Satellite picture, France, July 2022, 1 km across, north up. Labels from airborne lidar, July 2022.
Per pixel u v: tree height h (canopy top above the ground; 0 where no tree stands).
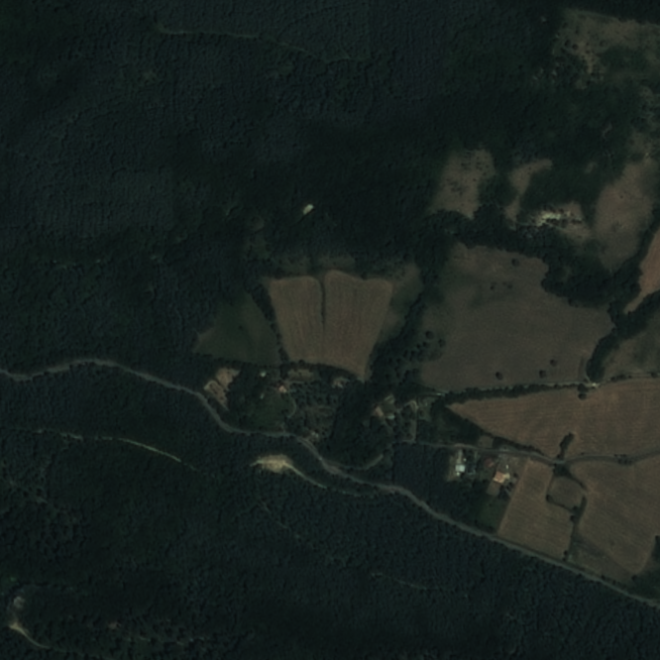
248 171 22
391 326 0
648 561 0
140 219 22
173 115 19
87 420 15
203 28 21
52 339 8
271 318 11
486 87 16
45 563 21
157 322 12
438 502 14
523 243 15
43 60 20
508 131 13
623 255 0
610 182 0
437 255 13
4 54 12
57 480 16
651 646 25
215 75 21
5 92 22
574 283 8
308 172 15
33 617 14
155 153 21
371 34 17
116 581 24
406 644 26
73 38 11
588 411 0
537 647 24
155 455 11
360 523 23
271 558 23
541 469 0
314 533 19
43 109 22
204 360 11
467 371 0
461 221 15
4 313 17
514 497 0
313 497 18
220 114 21
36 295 11
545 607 23
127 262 17
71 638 15
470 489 9
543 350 0
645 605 13
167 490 15
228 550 19
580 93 7
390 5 15
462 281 0
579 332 0
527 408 0
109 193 23
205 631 21
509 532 0
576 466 0
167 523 21
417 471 15
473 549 19
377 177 16
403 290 0
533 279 0
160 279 14
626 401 0
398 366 6
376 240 19
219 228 19
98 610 20
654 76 0
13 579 10
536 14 16
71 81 27
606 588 18
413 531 23
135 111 15
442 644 20
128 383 6
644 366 0
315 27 22
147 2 19
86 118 14
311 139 20
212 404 16
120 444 8
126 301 13
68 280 20
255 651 24
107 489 11
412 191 16
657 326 0
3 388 18
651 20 12
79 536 20
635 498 0
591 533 0
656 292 6
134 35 18
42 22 25
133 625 26
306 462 14
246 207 16
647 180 0
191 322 16
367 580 23
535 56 13
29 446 17
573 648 21
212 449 14
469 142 17
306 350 0
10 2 9
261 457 7
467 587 20
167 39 15
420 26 23
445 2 20
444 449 8
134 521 18
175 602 33
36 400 19
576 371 0
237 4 20
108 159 21
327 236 12
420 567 21
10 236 21
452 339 0
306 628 22
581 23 0
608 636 23
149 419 8
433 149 17
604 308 0
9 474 14
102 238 15
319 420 10
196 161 20
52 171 21
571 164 8
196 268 17
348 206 17
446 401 11
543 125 8
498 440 7
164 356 18
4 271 15
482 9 16
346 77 16
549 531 0
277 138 16
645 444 0
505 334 0
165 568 18
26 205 20
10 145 23
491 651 26
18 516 10
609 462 0
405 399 13
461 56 6
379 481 15
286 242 9
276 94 18
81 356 14
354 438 9
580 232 0
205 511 19
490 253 0
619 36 0
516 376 0
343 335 0
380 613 23
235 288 18
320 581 24
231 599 25
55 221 19
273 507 19
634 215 0
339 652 22
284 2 22
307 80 15
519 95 17
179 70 20
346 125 24
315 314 0
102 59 23
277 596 21
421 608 22
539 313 0
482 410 0
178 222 19
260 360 0
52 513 26
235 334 0
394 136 13
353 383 10
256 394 11
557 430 0
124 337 11
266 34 21
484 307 0
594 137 8
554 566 11
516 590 22
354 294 0
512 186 0
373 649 24
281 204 14
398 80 20
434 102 21
